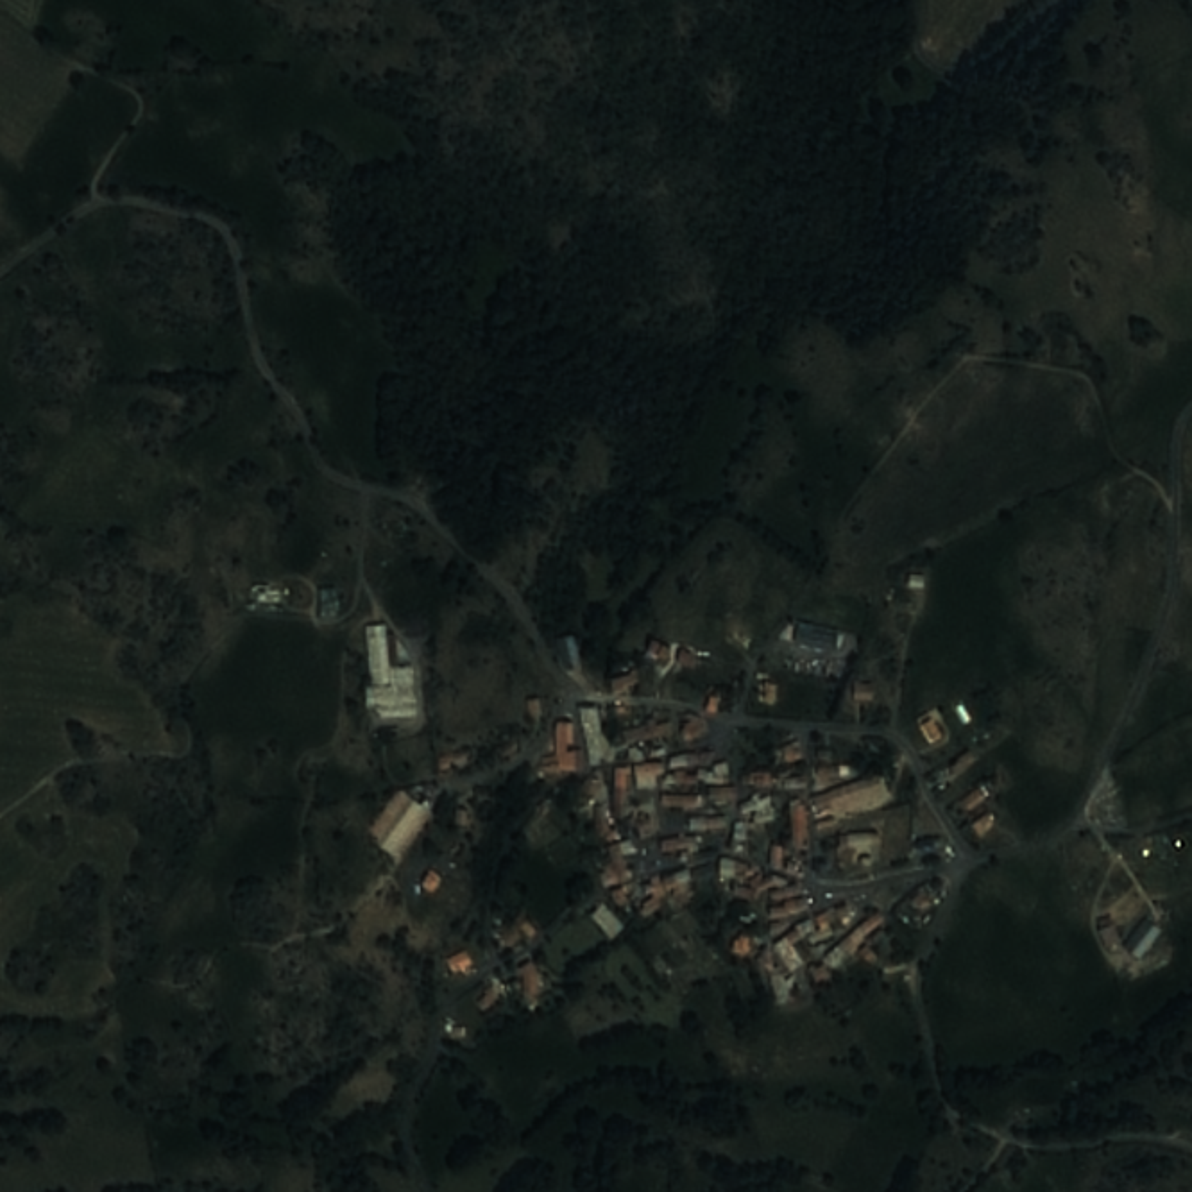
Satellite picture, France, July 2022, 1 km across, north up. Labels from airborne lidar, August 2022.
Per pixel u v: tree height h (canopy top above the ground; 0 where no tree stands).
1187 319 0
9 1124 15
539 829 0
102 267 0
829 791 0
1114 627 0
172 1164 0
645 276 10
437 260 21
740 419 0
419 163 16
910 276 23
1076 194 0
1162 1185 0
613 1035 13
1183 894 0
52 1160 0
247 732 0
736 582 0
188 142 0
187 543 0
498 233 17
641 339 14
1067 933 0
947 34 0
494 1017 7
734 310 10
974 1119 10
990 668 0
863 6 25
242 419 0
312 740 0
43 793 0
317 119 0
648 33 9
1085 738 0
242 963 0
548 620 10
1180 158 0
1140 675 0
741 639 0
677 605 0
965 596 0
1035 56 20
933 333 0
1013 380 0
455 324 23
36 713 0
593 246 13
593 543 16
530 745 0
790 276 19
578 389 19
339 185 11
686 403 16
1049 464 0
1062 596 0
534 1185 8
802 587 0
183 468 0
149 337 0
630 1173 0
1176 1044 13
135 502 0
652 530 25
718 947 6
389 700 0
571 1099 15
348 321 0
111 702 0
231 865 0
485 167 10
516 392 29
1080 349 7
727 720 0
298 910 0
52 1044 0
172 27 0
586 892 10
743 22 9
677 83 6
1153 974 0
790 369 0
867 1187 0
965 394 0
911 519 0
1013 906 0
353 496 0
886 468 0
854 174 21
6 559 0
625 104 6
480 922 9
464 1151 22
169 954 0
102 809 6
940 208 14
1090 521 0
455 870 0
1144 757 0
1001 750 0
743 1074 0
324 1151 19
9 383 0
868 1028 0
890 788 0
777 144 25
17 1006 0
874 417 0
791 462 8
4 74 0
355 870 0
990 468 0
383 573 0
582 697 0
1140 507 0
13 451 6
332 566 0
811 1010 0
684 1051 0
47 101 0
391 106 13
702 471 0
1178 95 0
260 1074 10
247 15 0
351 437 0
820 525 0
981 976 0
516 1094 0
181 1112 12
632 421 18
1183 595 0
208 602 0
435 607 0
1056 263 0
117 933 7
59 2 0
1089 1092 17
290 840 0
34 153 0
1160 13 0
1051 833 0
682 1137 0
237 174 0
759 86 10
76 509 0
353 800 0
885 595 0
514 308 20
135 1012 0
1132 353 0
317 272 0
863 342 11
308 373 0
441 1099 0
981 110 19
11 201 0
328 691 0
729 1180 17
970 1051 0
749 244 9
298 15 0
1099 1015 0
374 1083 0
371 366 0
